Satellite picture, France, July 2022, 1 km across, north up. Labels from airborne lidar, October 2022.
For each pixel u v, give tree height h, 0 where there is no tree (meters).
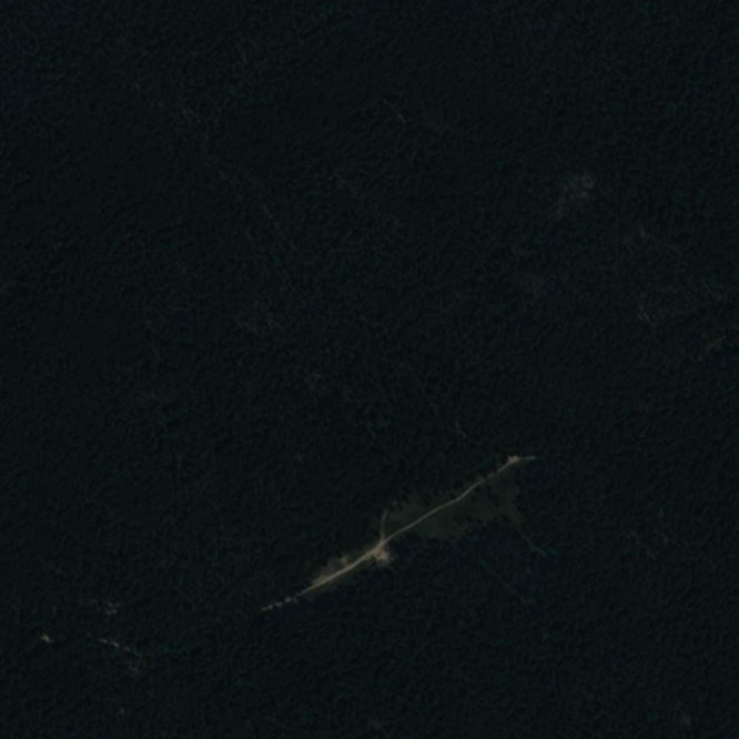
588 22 19
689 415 23
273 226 28
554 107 22
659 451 16
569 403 19
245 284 16
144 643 19
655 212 27
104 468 16
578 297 23
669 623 18
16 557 15
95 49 27
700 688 28
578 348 27
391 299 16
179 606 15
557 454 17
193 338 22
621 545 16
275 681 20
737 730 19
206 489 15
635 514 16
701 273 18
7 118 17
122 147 21
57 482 17
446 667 22
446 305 16
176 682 21
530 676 17
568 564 18
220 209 19
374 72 16
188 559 23
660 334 9
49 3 20
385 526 0
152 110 23
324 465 18
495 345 15
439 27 29
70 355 17
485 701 19
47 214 18
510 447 15
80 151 18
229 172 19
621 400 20
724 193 13
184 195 21
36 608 10
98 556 20
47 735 26
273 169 17
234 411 17
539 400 18
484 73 25
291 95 20
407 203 21
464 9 22
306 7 14
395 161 25
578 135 18
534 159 19
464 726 22
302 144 18
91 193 18
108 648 17
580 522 23
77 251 20
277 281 19
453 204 21
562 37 22
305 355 22
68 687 23
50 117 20
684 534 12
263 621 25
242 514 23
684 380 21
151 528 21
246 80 16
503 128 18
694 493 16
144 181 20
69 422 18
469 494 0
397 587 13
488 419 19
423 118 27
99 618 8
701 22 14
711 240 18
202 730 21
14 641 19
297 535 16
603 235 30
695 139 21
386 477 20
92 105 26
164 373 18
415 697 17
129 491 19
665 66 20
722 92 23
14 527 15
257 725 17
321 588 0
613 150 18
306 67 23
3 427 15
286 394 21
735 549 18
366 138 18
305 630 27
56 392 18
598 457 19
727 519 18
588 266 17
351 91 18
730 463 23
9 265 16
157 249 18
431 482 11
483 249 8
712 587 18
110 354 20
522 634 20
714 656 19
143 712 16
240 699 15
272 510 21
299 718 11
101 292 21
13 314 17
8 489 18
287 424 23
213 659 18
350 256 23
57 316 20
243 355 19
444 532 0
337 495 22
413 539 16
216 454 19
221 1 20
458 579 18
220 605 13
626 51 22
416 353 21
